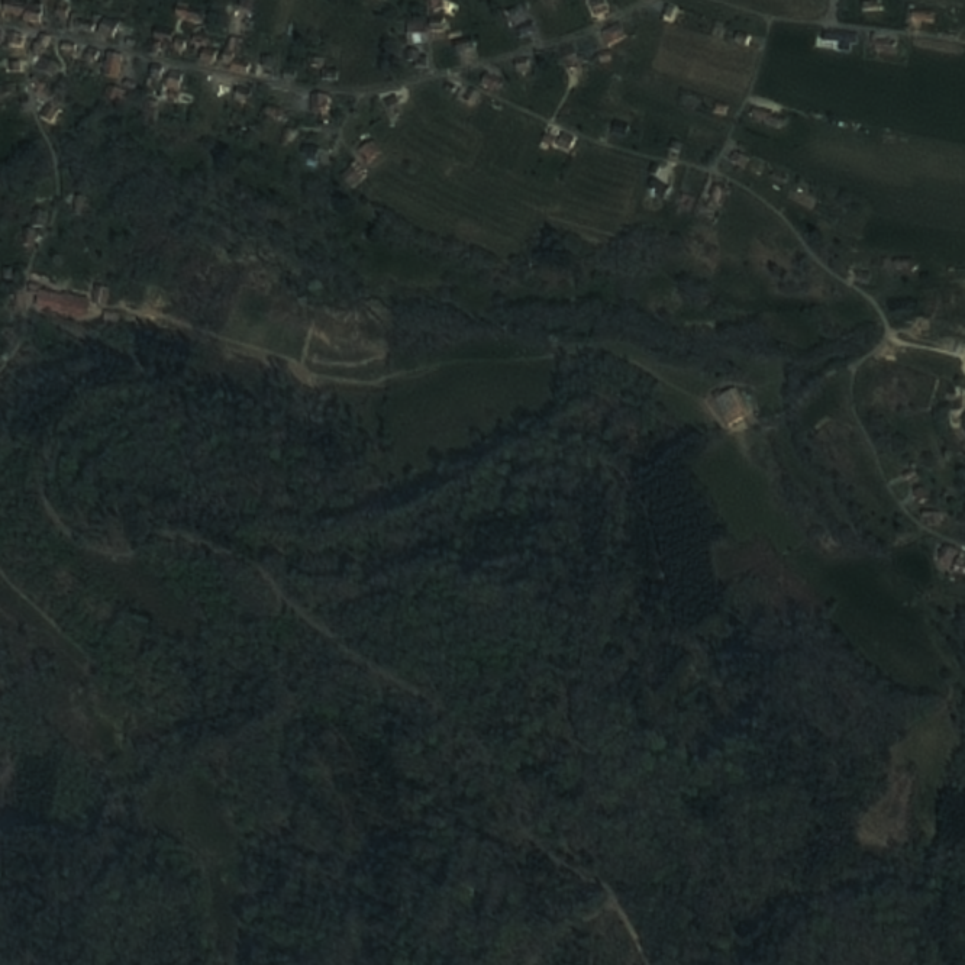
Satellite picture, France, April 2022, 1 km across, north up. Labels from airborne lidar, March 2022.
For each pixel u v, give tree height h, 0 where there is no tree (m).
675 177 0
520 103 0
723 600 31
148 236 0
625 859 26
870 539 18
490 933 31
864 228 0
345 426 20
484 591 29
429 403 0
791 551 11
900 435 7
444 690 12
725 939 24
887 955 33
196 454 27
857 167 0
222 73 0
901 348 0
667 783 29
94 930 29
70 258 0
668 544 24
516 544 6
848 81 0
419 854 30
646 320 20
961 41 0
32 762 10
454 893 31
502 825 31
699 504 26
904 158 0
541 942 28
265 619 23
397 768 19
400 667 16
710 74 0
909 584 0
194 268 0
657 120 0
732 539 6
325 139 0
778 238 0
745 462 0
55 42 0
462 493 25
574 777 26
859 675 26
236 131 9
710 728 6
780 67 0
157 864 17
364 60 0
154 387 20
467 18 0
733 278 0
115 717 0
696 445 20
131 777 0
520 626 23
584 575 22
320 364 0
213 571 12
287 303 0
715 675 10
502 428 7
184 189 20
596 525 14
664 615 25
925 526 0
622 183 0
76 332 0
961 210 0
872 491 0
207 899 23
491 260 16
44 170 20
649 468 20
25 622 0
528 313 20
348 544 27
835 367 10
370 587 28
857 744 28
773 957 29
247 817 16
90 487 23
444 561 23
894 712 35
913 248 0
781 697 33
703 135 0
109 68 0
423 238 16
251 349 0
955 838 16
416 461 0
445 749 27
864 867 20
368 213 0
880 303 0
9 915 27
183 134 10
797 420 17
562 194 0
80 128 14
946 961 28
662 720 10
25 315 0
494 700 16
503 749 23
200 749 29
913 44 0
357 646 18
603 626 27
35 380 17
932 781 0
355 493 14
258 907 20
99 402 23
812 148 0
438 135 0
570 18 0
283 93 0
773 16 0
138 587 0
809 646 28
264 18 0
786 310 0
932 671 0
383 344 0
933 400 0
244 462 28
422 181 0
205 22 6
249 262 0
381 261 0
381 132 0
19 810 9
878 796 19
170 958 22
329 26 0
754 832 25
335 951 32
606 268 16
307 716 15
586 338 10
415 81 0
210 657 26
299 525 22
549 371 0
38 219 0
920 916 27
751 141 0
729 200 0
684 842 27
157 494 11
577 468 30
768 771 29
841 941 29
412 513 32
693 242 0
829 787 24
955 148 0
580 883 11
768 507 0
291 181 12
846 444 0
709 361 16
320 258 22
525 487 31
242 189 16
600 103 0
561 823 23
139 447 23
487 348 0
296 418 19
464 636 21
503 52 0
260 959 29
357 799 7
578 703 35
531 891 11
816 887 24
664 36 0
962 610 13
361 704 16
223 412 29
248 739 34
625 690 31
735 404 0
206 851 0
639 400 15
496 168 0
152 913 30
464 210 0
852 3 0
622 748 37
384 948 34
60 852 37
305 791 41
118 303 0
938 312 0
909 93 0
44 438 19
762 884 25
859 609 0
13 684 22
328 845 31
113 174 24
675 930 21
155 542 17
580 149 0
